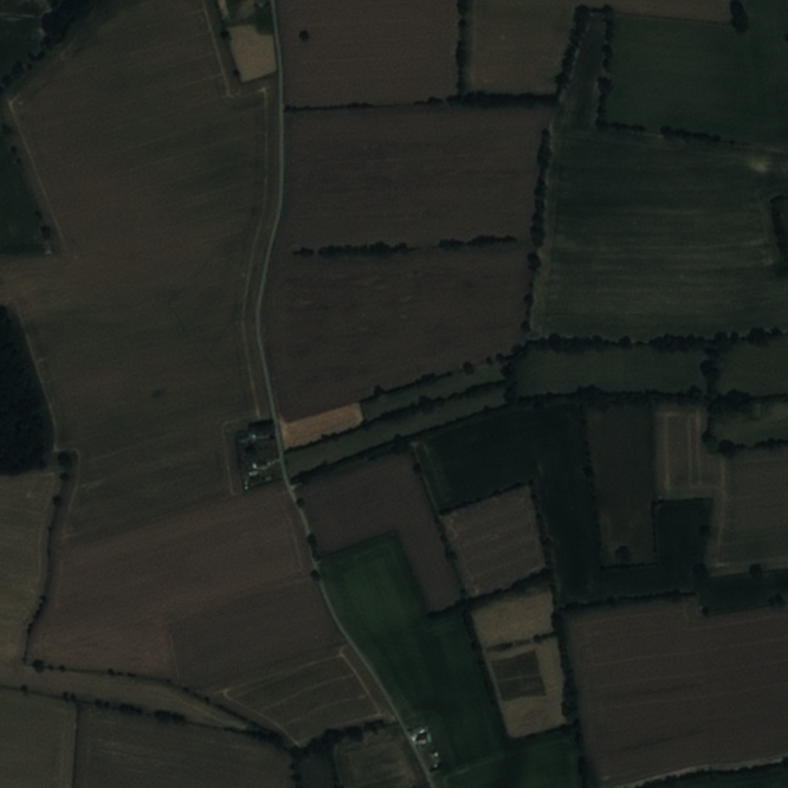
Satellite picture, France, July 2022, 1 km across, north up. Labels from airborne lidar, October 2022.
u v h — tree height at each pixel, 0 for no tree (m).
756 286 0
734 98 0
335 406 0
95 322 0
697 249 0
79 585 0
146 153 0
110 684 0
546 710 0
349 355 0
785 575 0
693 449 0
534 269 11
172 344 0
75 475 0
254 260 0
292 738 0
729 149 0
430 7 0
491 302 0
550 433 0
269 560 0
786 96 0
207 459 0
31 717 0
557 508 0
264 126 0
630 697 0
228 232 0
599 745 0
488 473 0
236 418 0
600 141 0
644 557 0
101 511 0
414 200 0
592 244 0
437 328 0
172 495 0
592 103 0
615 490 0
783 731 0
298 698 0
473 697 0
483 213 0
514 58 0
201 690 0
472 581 0
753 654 0
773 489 0
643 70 0
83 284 0
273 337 0
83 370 0
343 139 0
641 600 10
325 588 0
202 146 0
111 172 0
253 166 0
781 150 0
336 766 7
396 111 0
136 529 0
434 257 0
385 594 0
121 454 0
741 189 0
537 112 0
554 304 0
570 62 13
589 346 18
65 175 0
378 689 0
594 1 0
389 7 0
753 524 0
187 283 0
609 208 0
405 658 0
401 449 13
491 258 0
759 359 0
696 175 0
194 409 0
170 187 0
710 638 0
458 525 0
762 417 0
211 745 0
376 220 0
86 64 0
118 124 0
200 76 0
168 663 0
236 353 0
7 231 0
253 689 0
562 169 0
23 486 0
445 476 0
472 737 0
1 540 0
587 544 0
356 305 0
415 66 0
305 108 6
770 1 0
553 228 0
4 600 0
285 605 0
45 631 0
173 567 0
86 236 0
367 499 0
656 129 0
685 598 9
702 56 0
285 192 0
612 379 0
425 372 0
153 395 0
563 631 13
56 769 0
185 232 0
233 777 0
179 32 0
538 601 0
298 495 0
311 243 0
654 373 0
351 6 0
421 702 0
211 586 0
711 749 0
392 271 0
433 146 0
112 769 0
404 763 0
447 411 0
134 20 0
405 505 0
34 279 0
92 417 0
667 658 0
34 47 0
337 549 0
